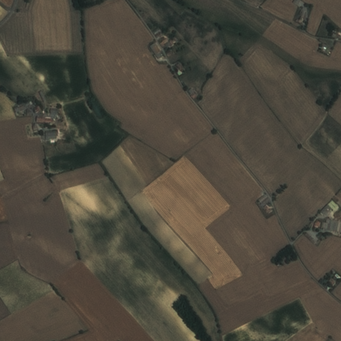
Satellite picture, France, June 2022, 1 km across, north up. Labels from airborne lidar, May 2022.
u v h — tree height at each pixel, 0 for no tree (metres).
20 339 0
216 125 0
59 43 0
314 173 0
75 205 0
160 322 0
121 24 0
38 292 0
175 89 0
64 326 0
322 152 0
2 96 0
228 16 0
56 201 0
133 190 0
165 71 0
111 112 0
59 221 0
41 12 0
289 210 0
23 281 0
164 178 0
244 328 0
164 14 0
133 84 0
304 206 0
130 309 0
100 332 0
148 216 0
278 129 0
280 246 0
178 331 0
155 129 0
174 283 0
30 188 0
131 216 0
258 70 0
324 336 0
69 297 0
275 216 0
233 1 0
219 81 0
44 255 0
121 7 0
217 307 0
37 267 0
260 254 0
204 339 13
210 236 0
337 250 0
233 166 0
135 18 0
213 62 0
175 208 0
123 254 0
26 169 0
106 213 0
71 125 0
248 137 0
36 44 0
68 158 0
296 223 0
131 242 0
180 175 0
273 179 0
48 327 0
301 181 0
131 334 0
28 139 0
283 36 0
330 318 0
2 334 0
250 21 0
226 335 0
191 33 0
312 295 0
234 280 0
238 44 0
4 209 0
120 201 0
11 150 0
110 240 0
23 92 0
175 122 0
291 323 0
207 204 0
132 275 0
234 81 0
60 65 0
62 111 0
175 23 0
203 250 0
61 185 0
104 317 0
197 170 0
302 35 0
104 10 0
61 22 0
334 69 0
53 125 9
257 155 0
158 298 0
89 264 0
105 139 0
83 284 0
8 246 0
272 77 0
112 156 0
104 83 0
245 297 0
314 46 0
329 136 0
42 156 0
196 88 0
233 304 0
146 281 0
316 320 0
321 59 0
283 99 0
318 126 0
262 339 0
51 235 0
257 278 0
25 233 0
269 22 0
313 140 0
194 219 0
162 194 0
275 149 0
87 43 0
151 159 0
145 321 0
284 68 0
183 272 9
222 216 0
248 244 0
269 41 0
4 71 0
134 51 0
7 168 0
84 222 0
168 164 0
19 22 0
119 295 0
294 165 0
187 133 0
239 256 0
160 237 0
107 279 0
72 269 0
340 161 0
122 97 0
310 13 0
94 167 0
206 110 0
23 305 0
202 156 0
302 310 0
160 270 0
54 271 0
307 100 0
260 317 0
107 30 0
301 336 0
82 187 0
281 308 0
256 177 0
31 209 0
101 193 0
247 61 0
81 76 0
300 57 0
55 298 0
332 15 0
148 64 0
